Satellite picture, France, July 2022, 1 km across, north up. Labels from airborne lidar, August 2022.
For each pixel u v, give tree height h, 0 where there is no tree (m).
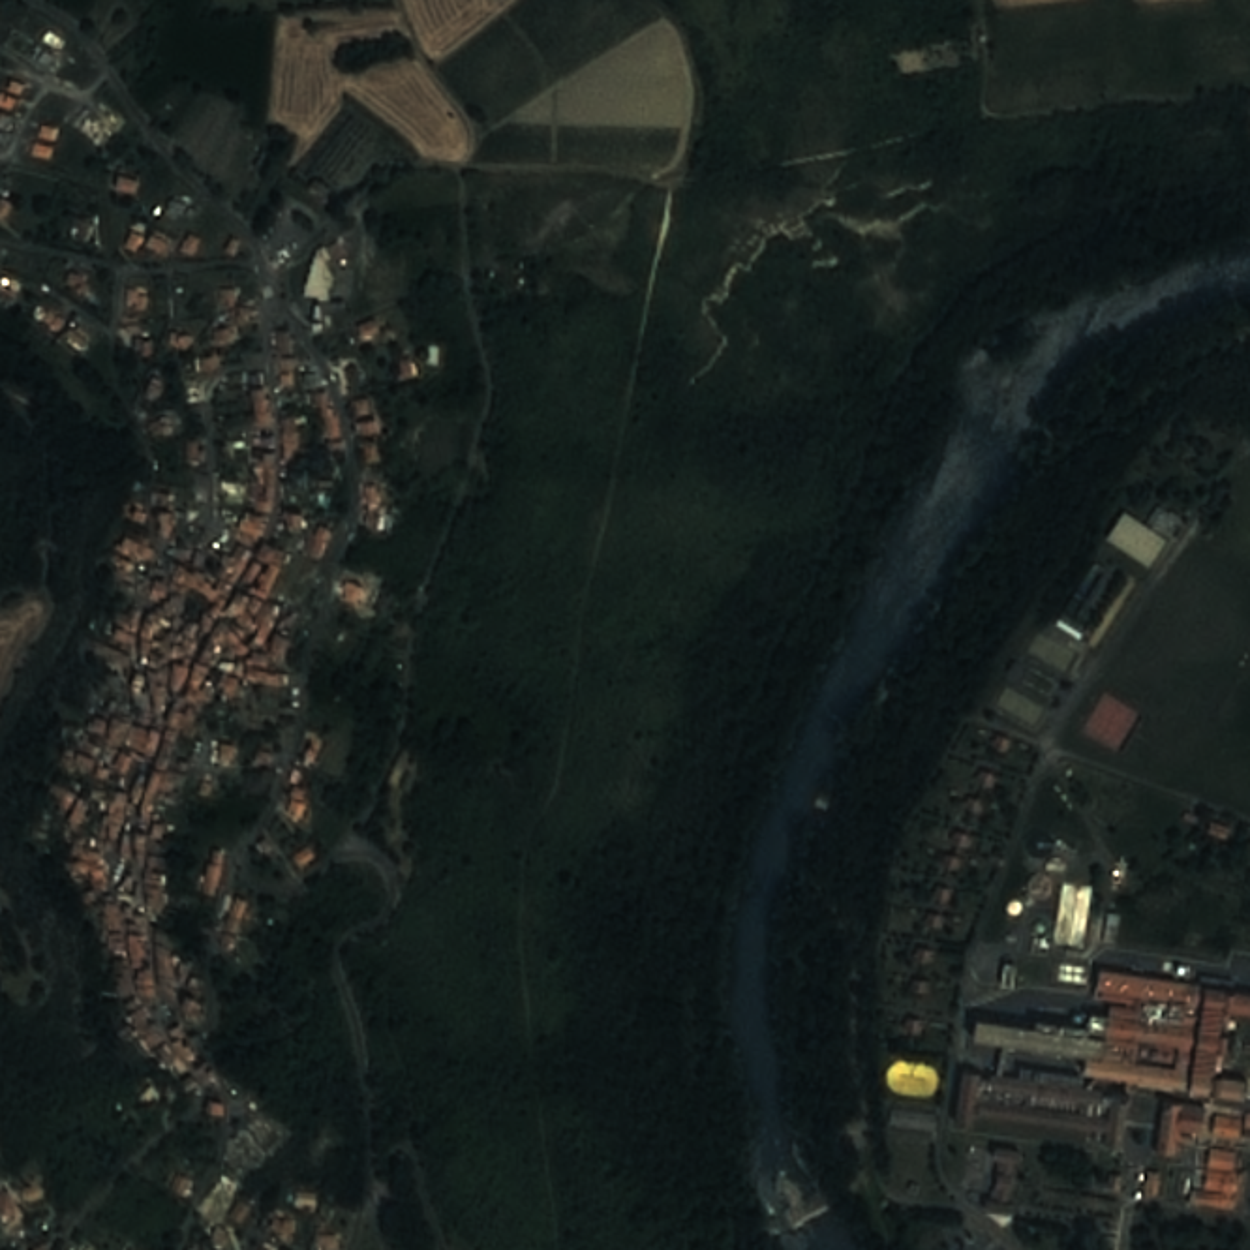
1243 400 9
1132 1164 0
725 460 8
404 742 9
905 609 0
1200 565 0
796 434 14
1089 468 16
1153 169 14
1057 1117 0
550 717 8
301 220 9
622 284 0
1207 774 0
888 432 15
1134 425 14
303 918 6
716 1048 21
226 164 0
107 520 10
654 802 8
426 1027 6
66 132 0
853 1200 9
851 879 21
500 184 0
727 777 20
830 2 7
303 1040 13
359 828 10
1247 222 23
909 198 6
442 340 7
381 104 0
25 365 14
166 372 9
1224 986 0
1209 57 0
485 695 10
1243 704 0
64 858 8
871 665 0
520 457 8
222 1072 12
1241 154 10
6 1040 8
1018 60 0
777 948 12
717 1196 14
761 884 0
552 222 0
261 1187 11
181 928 15
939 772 7
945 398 20
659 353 8
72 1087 7
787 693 26
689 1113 17
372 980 9
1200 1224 17
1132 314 0
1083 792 7
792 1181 0
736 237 0
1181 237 8
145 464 9
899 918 0
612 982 15
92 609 10
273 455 0
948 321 13
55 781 11
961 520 0
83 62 0
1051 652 0
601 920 14
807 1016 17
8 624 0
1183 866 11
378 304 0
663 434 10
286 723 6
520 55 0
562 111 0
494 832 6
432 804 7
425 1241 9
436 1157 9
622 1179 10
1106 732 0
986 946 0
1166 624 0
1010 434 0
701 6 0
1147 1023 0
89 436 15
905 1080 0
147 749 0
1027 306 16
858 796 17
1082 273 29
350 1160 15
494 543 5
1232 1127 0
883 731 18
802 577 18
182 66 0
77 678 17
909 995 7
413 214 0
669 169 0
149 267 6
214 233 0
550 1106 6
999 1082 0
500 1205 7
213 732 9
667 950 19
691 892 19
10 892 8
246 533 0
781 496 9
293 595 0
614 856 11
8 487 8
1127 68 0
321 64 0
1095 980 0
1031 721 0
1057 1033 0
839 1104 23
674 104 0
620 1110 11
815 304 8
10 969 7
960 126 8
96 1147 14
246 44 0
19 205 0
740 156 8
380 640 8
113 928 0
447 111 0
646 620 7
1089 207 17
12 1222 0
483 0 0
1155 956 0
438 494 8
